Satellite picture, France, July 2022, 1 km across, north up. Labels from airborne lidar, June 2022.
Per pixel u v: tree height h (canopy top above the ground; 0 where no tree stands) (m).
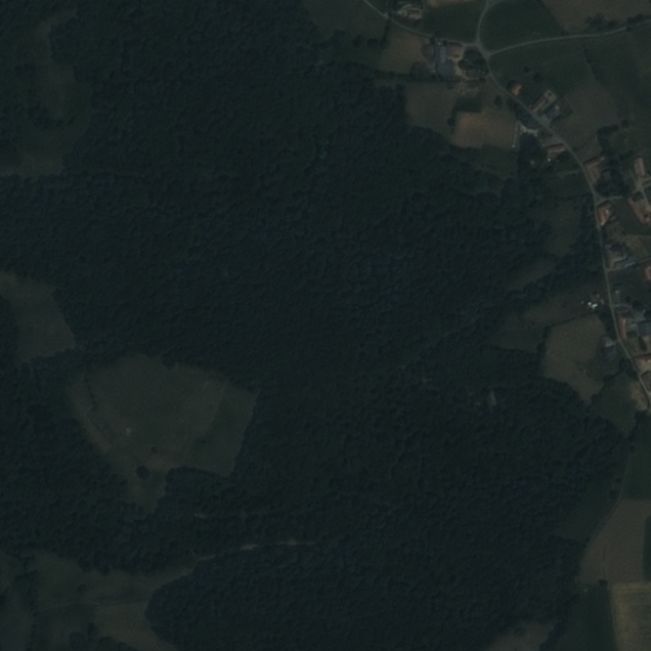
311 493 19
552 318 0
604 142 12
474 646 21
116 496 12
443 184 22
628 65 0
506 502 21
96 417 0
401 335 29
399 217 39
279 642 12
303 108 25
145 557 25
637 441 11
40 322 0
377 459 32
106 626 0
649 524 0
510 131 0
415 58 0
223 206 20
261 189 23
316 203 36
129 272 29
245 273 30
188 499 30
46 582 0
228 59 32
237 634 21
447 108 0
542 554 24
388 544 24
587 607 0
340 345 30
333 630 22
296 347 24
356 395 8
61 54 24
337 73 25
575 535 0
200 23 24
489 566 28
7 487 31
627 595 0
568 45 0
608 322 9
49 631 0
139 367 0
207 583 24
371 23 0
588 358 0
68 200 27
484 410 18
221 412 0
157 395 0
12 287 0
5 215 28
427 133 20
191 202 22
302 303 29
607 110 0
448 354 20
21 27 22
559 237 0
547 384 11
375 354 23
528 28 0
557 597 21
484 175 7
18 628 0
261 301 28
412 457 30
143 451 0
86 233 33
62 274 21
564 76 0
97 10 23
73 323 18
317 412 23
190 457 0
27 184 19
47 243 32
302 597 21
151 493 0
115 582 0
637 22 7
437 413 28
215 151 26
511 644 0
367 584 33
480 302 24
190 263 9
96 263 27
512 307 18
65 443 19
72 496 26
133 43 32
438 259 36
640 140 0
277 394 19
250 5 21
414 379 12
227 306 30
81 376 16
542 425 24
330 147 32
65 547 9
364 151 38
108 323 21
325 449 20
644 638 0
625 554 0
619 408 0
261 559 25
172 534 24
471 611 29
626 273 0
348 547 28
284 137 29
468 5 0
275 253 29
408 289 38
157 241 29
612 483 0
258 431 20
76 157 20
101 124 29
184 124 23
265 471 27
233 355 23
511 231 26
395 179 32
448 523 23
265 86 24
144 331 22
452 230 36
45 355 0
